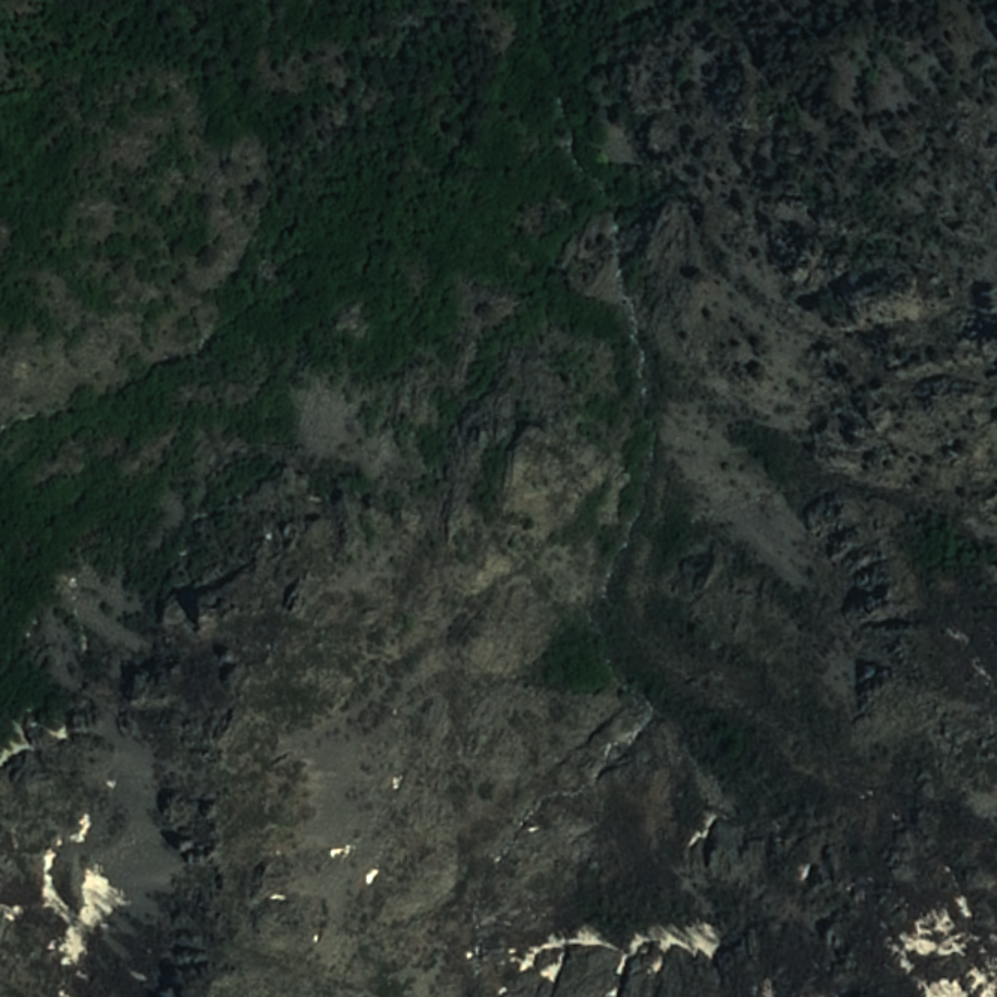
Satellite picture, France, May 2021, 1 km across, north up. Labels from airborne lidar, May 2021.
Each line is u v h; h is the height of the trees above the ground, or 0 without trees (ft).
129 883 0
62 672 0
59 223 30
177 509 0
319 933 0
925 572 25
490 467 26
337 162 64
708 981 0
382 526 0
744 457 0
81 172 47
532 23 63
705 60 0
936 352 41
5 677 31
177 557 20
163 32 30
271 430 38
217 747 0
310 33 35
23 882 0
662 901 34
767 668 27
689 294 0
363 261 26
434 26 66
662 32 34
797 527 0
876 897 26
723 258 23
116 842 0
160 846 0
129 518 24
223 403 25
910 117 53
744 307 0
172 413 29
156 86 28
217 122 52
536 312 35
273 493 0
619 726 0
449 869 0
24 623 28
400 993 0
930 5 50
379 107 37
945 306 0
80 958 0
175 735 0
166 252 22
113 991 31
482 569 0
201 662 19
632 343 29
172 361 48
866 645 0
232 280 37
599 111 80
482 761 0
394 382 23
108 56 74
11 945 0
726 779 45
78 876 0
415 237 37
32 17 66
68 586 0
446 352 30
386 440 0
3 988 0
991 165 0
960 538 34
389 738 0
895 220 25
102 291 24
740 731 31
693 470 0
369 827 0
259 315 69
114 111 33
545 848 0
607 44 74
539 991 0
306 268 34
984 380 0
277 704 0
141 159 0
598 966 0
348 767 0
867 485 30
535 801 0
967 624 22
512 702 0
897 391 0
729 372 23
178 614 0
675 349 0
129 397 65
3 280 37
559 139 24
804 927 20
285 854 0
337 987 0
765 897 37
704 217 59
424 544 21
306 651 0
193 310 25
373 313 28
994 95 36
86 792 0
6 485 47
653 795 0
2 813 0
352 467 50
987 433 0
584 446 0
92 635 23
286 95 38
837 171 46
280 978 0
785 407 28
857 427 30
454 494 0
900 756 21
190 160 39
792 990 26
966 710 0
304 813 0
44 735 0
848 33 83
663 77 38
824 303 58
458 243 73
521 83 63
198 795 0
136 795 0
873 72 31
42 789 0
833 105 84
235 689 0
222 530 29
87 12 73
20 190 54
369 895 0
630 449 36
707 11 23
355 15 46
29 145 36
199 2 123
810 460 33
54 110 22
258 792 0
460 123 53
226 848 0
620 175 22
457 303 39
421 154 49
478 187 49
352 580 0
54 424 66
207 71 87
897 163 34
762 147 50
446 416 45
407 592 20
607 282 0
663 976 0
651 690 46
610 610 27
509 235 31
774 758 21
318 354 32
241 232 0
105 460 24
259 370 25
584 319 43
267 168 24
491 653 0
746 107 30
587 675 77
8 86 53
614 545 42
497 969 0
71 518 51
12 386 0
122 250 43
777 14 91
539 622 0
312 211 30
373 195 36
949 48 53
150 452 0
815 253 30
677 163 48
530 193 44
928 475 48
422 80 100
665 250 0
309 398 0
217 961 0
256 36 47
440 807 0
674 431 0
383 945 0
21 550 31
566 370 31
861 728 0
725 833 0
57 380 0
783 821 29
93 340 0
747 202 48
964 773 0
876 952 20
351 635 0
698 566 27
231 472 27
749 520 0
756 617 0
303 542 21
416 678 0
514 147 46
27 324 28
